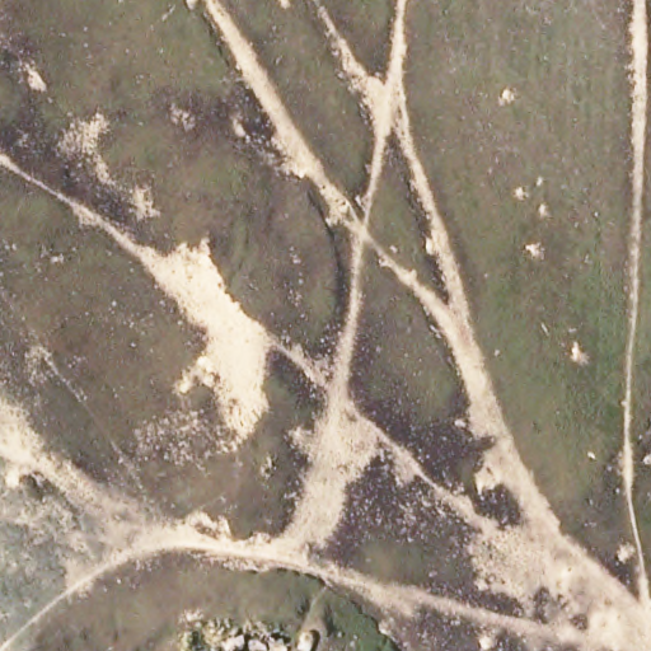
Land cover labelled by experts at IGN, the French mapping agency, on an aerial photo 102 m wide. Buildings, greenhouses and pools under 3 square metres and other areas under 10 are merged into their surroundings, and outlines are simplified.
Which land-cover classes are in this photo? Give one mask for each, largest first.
<instances>
[{"label":"herbaceous vegetation","instance_id":"1","mask_svg":"<svg viewBox=\"0 0 651 651\"><path fill-rule=\"evenodd\" d=\"M211 0H0V150L28 173L43 178L46 183L61 188L66 196L89 206L99 216L114 221L137 244L150 247L158 254H173L178 244L198 249L201 242H209L211 262L219 277L224 280V292L231 298V303H236L239 310L247 318L257 320L270 336H290L310 359L336 356L338 338L346 326L351 292V231L346 226L328 224V203L310 178L285 170H272L247 145V140L234 135L231 130V114H242V125L247 132L272 137L275 125L270 122L252 86L244 81V74L236 66L231 48L226 46L214 18L209 15ZM97 114L107 120V130L99 132L97 147L107 163L109 175L114 181L130 183L132 188H145L150 193L153 206L158 209V216L140 219L135 203L122 201L97 178V168L89 163L84 150L69 155L58 150V142L69 132L71 122H92ZM226 5L231 23L252 46L257 64L267 74L290 122L295 125L315 160L323 165V173L338 191H343L346 198L366 193L369 168L374 158V120L371 109L364 104V92L351 89V76L343 69L341 56H336L333 51L326 25L318 18V8L326 3L336 28L348 41L353 58L371 76H379L389 71L392 33L399 0H221ZM407 5L402 84L409 112L412 142L425 168L437 214L442 219L463 280L473 336L483 356V371L493 387L514 448L524 468L531 473L534 486L547 498L549 511L557 516L559 531L577 542L590 559H595L603 552L618 554L623 544L631 542L623 501L620 450L626 387L623 361L628 338L631 282L628 259L633 214L631 20L636 0H404ZM631 445L633 506L651 593V84L646 81L641 270L638 326L633 351ZM371 236L364 247L361 310L351 353L348 397L366 420L384 430L394 442L407 448L412 458L422 465V470L430 473L442 488L455 491L460 486L463 493L470 498L473 509L493 519L498 529L519 526L524 514L516 496L506 486H476L483 455L493 448V440L488 435L478 437L470 432L465 381L460 376L455 353L440 323L432 313H427L425 303L392 270L381 267L379 262L381 257L397 259L402 267L417 272V280L437 295L442 305L450 303L440 262L435 254L427 252L430 221L412 186L409 163L402 153L399 137L389 132L379 188L371 203ZM206 328L193 323L186 310H181L178 300L160 287L155 275L147 272V267L135 254L120 247L104 229L81 224L66 203L56 201V196H48V191L25 183L23 178L0 165V379H5L8 389L5 399L10 404L23 407L31 430L43 442L46 455L53 453L58 460H71L76 470H81L89 481L99 483L104 491L122 493L132 501L147 496L155 498V506L165 519L206 514L211 519H226L231 539L236 542L257 534L280 537L292 524L295 506L303 501L305 493L303 481L308 476L310 460L292 442V430L315 427V422L326 412V392L315 387L287 356L267 351L262 394L267 397V409L262 412L254 430L236 453H219V440H231L236 430H231L224 422L214 389H209L201 381L193 384L188 392H175L178 381L183 379V371L191 369L206 351ZM31 346H46L58 366V371H53L43 359L38 361V371H43V376L48 379L46 384L28 381L25 353L31 351ZM481 529L470 526L450 504L437 501L435 491H430L420 478L397 486L392 458H371L361 478L346 486L343 516L336 531L328 537L326 547L308 542V557L320 565L336 562L338 567L356 570L359 575L371 577L379 585L420 587L440 598H450L514 618L521 608L519 600L506 593H486L476 587L478 570L473 567L468 544ZM196 557L188 549H165L147 557H135L104 572L92 582L89 590L71 595L69 600L56 605L38 626H33L31 638L36 641V646L31 651H158L163 641L178 636L175 623L188 610H198L201 615L206 608H219L229 615L239 613L244 620L257 605H262L264 613L262 623L282 646L300 638L305 615L310 620H323V628H318L320 643L318 648L310 646V651H526L524 641L516 633L501 631L496 641H491L478 633L476 620L465 615H448L435 608L420 605L412 618L415 623L409 626L407 636L392 641L379 631V608L371 600L361 598L356 590L336 585L310 572L290 567H272L267 572L234 570L219 559L209 570V577L201 580L191 572Z\"/></svg>","mask_w":651,"mask_h":651},{"label":"pervious surface","instance_id":"2","mask_svg":"<svg viewBox=\"0 0 651 651\"><path fill-rule=\"evenodd\" d=\"M407 5L404 0H399L392 33L389 71L379 76H371L353 58L348 41L336 28L326 3L318 8V18L326 25L333 51L336 56H341L343 69L351 76V89L364 92V104L371 109L374 120V158L369 168L366 193L346 198L343 191H338L323 173V165L315 160L295 125L290 122L267 74L257 64L252 46L231 23L226 5L221 0H211L209 15L214 18L226 46L231 48L236 66L244 74V81L252 86L270 122L275 125L272 137L275 145L285 153V170L310 178L328 203V224L346 226L351 231V292L346 326L338 338L336 356L310 359L290 336H270L257 320L247 318L239 310L236 303H231V298L224 292V280L219 277L211 262L209 242H201L198 249L178 244L173 254H158L150 247L137 244L114 221L99 216L89 206L66 196L61 188L46 183L43 178L28 173L0 150V165L23 178L25 183L48 191V196H56V201L66 203L81 224L104 229L120 247L135 254L147 267V272L155 275L160 287L178 300L181 310H186L193 323L206 328V351L191 369L183 371V379L178 381L175 392H188L193 384L201 381L209 389H214L224 422L231 430H236L231 440H219V453H236L254 430L262 412L267 409V397L262 394L267 351L287 356L315 387L326 392V412L315 422V427L292 430V442L310 460L308 476L303 481L305 493L303 501L295 506L292 524L280 537L257 534L236 542L231 539L226 519H211L206 514L165 519L155 506V498L147 496L132 501L122 493L104 491L99 483L89 481L81 470H76L71 460H58L53 453L46 455L43 442L31 430L23 407L10 404L5 399L8 389L5 379H0V651H31L36 646V641L31 638L33 626H38L56 605L69 600L71 595L89 590L92 582L104 572L135 557H147L165 549H206L209 554H219V559L234 570L267 572L272 567H290L310 572L336 585L356 590L361 598L371 600L379 608H394L402 615L412 618L420 605L435 608L448 615H465L476 620L478 633L491 641H496L501 631L516 633L524 641L526 651H651V593L633 506L631 445L633 351L638 326L641 270L646 81L643 0H636L631 20L633 214L628 259L631 282L628 338L623 361L626 387L620 450L623 501L631 542L623 544L618 554L620 559H628L636 567L638 598H631L628 590L595 559H590L577 542L559 531L557 516L549 511L547 498L534 486L531 473L524 468L514 448L493 387L483 371V356L473 336L463 280L442 219L437 214L425 168L412 142L409 112L402 84ZM389 132L399 137L402 153L409 163L412 186L430 221L427 252L435 254L440 262L450 303L442 305L437 295L417 280V272L402 267L397 259L381 257L379 262L381 267L392 270L425 303L427 313H432L440 323L455 353L460 376L465 381L470 432L478 437L488 435L493 440V448L483 455L476 486H506L516 496L524 514L519 526L498 529L493 519L473 509L470 498L463 493L460 486L455 491L442 488L430 473L422 470V465L412 458L407 448L394 442L384 430L366 420L348 397L351 353L361 310L364 247L371 236V203L379 188ZM371 458H392L397 486L420 478L430 491H435L437 501L450 504L470 526L481 529L468 544L473 567L478 570L476 587L486 593H506L519 600L521 595H534L539 587H547L549 595H562L565 610H559V615L552 623L514 618L450 598H440L420 587L379 585L371 577L359 575L356 570L338 567L336 562L320 565L308 557V542L326 547L328 537L336 531L343 516L346 486L361 478Z\"/></svg>","mask_w":651,"mask_h":651},{"label":"bare soil","instance_id":"3","mask_svg":"<svg viewBox=\"0 0 651 651\"><path fill-rule=\"evenodd\" d=\"M646 81L651 84V0H643ZM107 130V120L97 114L92 122H71L69 132L58 142V150L69 155L84 150L89 163L97 168V178L122 201L135 203L140 219L158 216V209L153 206L150 193L145 188H132L130 183L114 181L109 175L107 163L97 147L99 132ZM231 130L234 135L247 140V145L272 170H285V153L275 145L272 137L247 132L242 125V114H231ZM43 359L53 371H58V366L46 346H31V351L25 353L28 381L46 384L48 379L43 376V371H38V361ZM196 557L191 572L201 580L209 577V570L219 559V554H209L206 549H188ZM628 590L631 598H638L636 567L628 559H620L618 554L603 552L595 559ZM521 608L514 618L552 623L559 615V610H565L562 595H549L547 587H539L534 595H521L519 600ZM264 613L262 605H257L244 620L239 613L229 615L219 608H206L201 615L198 610H188L175 623L178 636L163 641L158 651H310V646L318 648L320 643L318 628H323V620H310L305 615L300 638L282 646L262 623ZM415 623L412 618L402 615L394 608H379V631L392 641L407 636L409 626Z\"/></svg>","mask_w":651,"mask_h":651}]
</instances>
